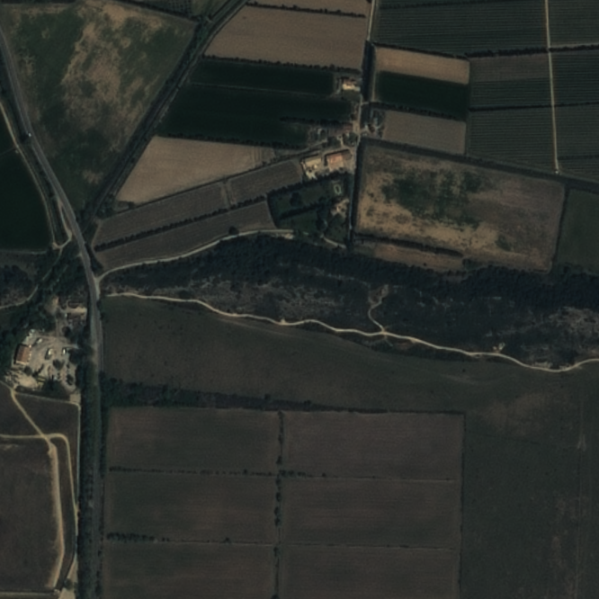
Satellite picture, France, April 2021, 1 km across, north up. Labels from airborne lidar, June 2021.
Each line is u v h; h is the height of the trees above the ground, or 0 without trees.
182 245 0
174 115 0
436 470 0
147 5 9
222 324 0
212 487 0
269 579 0
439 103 0
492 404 0
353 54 0
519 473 0
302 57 0
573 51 11
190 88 0
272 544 0
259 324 0
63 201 0
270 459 0
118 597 0
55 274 10
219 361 0
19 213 0
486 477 0
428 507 0
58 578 0
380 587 0
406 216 0
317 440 0
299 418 0
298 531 0
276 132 0
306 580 0
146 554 0
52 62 0
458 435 0
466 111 0
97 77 0
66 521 0
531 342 0
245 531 0
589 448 0
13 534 0
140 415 0
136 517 0
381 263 5
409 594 0
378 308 0
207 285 0
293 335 0
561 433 0
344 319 0
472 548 0
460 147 0
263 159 0
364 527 0
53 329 12
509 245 0
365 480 0
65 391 0
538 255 0
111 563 0
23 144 17
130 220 0
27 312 7
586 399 0
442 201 0
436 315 0
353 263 8
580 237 0
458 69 0
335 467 0
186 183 0
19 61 0
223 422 0
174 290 0
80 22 0
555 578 0
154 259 0
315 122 9
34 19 0
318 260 6
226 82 0
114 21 0
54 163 0
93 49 0
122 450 0
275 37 0
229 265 10
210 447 0
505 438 0
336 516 0
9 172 0
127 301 0
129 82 0
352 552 0
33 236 0
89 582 18
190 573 0
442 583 0
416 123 0
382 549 0
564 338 0
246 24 0
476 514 0
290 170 0
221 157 0
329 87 0
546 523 0
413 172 0
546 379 0
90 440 18
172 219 0
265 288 0
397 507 0
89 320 7
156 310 0
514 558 0
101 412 11
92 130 0
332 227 13
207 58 7
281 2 0
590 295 7
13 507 0
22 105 0
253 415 0
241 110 0
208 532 0
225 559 0
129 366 0
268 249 16
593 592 0
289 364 0
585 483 0
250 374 0
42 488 0
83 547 18
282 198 8
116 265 0
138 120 0
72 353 10
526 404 0
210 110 0
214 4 0
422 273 7
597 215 0
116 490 0
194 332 0
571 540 0
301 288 0
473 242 0
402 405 0
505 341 0
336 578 0
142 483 0
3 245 0
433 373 0
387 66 0
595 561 0
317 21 0
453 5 12
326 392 0
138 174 0
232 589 0
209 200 0
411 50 9
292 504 0
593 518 0
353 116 6
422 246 10
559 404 0
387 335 0
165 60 0
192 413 0
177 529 0
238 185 0
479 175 0
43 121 0
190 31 0
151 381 0
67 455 0
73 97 0
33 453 0
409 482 0
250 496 0
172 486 0
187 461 0
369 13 0
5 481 0
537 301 7
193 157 0
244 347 0
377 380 0
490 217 0
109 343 0
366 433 0
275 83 0
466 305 0
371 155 0
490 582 0
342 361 0
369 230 0
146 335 0
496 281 6
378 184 0
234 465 0
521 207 0
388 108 8
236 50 0
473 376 0
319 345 0
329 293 0
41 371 0
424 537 0
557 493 0
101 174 0
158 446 0
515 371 0
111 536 8
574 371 0
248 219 0
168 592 0
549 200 0
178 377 0
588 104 8
